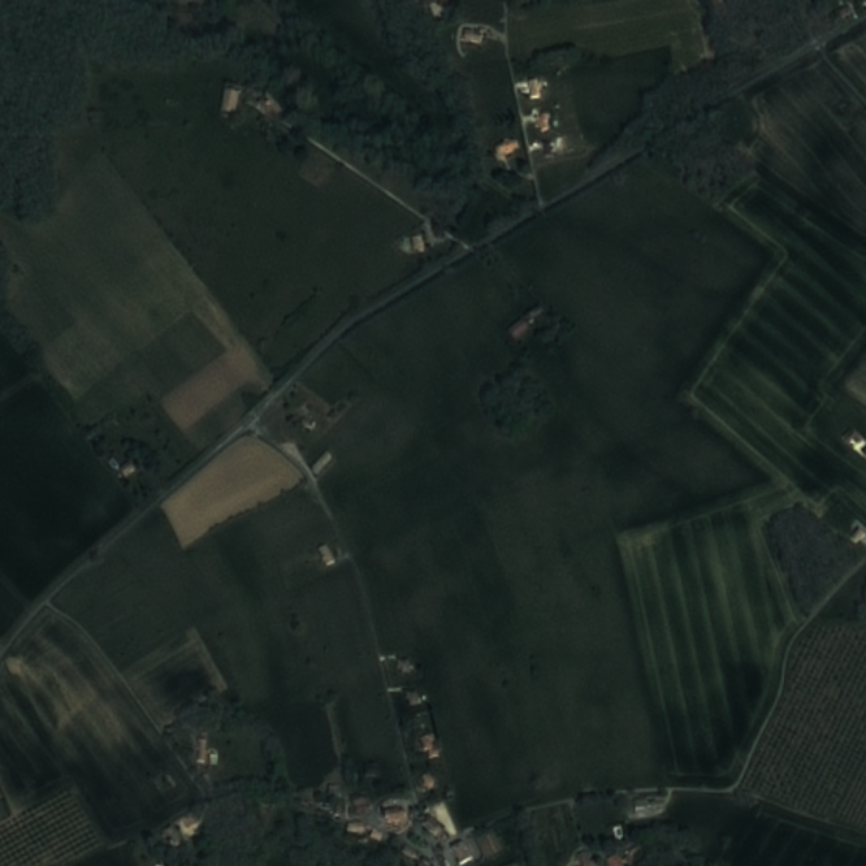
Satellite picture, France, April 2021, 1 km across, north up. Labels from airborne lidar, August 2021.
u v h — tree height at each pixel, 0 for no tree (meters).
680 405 0
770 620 0
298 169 0
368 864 17
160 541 0
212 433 0
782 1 19
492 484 0
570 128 0
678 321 0
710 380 0
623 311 0
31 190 20
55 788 0
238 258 0
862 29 0
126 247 0
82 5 18
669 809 0
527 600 0
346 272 0
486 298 0
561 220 0
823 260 0
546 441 0
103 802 0
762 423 0
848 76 0
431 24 13
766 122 0
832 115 0
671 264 0
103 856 0
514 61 6
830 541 17
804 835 0
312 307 0
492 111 0
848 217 0
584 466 0
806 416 0
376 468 0
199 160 0
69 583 0
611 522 0
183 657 0
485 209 0
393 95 19
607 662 0
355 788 15
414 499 0
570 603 0
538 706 0
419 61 22
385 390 0
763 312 0
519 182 13
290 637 0
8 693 0
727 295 0
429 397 0
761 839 0
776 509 0
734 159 20
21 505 0
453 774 0
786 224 0
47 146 25
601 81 0
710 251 0
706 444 0
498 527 0
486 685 0
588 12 0
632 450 0
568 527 0
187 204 0
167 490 0
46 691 0
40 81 24
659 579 0
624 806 16
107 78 0
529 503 0
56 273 0
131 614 0
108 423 6
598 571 0
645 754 0
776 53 15
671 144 17
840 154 0
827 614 0
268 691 0
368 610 0
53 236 0
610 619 0
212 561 0
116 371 0
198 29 0
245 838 18
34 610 0
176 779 0
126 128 0
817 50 0
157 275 0
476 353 0
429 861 8
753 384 0
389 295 0
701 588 0
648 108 17
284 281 0
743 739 0
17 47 23
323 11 0
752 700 0
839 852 0
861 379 0
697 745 0
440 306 0
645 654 0
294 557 0
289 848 9
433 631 0
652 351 0
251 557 0
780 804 0
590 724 0
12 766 0
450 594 0
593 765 0
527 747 0
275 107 0
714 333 0
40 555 0
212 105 0
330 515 0
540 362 0
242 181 0
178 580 0
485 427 0
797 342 0
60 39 21
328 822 8
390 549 0
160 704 0
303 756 0
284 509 0
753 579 0
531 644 0
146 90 0
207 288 0
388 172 12
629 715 0
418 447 0
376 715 0
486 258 11
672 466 0
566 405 0
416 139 21
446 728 0
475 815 0
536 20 0
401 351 0
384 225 0
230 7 15
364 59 0
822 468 0
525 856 10
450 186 23
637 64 0
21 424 0
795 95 0
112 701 0
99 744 0
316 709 0
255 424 0
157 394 0
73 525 0
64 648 0
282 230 0
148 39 23
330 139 15
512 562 0
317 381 0
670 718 0
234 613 0
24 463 0
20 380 0
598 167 11
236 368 0
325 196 0
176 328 0
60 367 0
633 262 0
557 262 0
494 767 0
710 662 0
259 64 21
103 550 0
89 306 0
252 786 14
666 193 0
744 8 19
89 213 0
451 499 0
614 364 0
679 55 0
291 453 0
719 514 0
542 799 0
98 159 0
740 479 0
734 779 0
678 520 0
